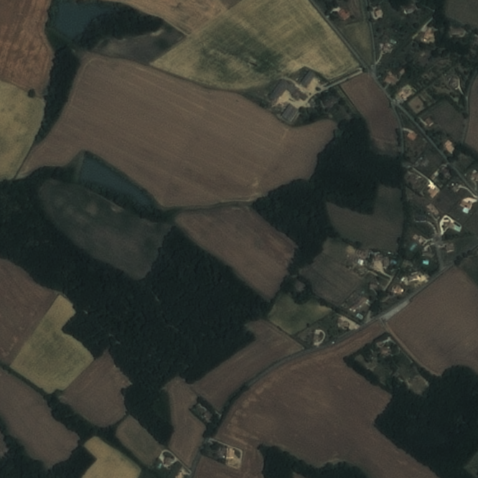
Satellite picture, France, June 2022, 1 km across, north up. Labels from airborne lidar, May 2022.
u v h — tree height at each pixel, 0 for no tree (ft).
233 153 0
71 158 0
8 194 55
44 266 48
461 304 0
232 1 0
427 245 0
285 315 0
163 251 69
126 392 40
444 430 68
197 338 53
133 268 0
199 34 0
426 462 51
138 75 0
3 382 0
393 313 0
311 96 0
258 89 0
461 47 40
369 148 39
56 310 0
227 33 0
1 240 52
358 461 0
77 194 0
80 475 53
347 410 0
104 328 52
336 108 20
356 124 67
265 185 0
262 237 0
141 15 41
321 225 74
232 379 0
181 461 0
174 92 0
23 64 0
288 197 62
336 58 0
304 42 0
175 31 0
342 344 0
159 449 0
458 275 0
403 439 57
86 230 0
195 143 0
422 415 58
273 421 0
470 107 0
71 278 58
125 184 0
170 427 56
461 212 0
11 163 0
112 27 71
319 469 24
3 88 0
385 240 0
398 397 53
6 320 0
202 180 0
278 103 0
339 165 60
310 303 0
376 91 0
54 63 56
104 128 0
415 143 0
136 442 0
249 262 0
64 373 0
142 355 45
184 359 52
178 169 0
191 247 67
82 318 44
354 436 0
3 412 0
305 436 0
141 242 0
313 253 51
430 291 0
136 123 0
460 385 79
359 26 0
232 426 0
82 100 0
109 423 0
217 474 0
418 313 0
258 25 0
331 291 0
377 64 0
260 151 0
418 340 0
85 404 0
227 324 36
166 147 0
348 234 0
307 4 0
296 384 0
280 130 0
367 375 46
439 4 41
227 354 41
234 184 0
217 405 0
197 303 53
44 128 58
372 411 0
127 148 0
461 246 0
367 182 31
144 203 0
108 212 0
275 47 0
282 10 0
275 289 0
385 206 0
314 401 0
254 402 0
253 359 0
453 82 0
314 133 0
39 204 66
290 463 54
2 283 0
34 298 0
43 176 55
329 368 0
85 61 0
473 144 0
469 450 79
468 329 0
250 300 51
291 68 0
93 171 0
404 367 0
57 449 0
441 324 0
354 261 0
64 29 0
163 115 0
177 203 0
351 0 0
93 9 0
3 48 0
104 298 65
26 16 0
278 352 0
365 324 0
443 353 0
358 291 0
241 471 0
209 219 0
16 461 78
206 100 0
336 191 39
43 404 0
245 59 0
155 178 0
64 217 0
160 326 56
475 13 0
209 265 45
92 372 0
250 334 56
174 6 0
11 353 0
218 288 62
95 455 0
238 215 0
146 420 55
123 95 0
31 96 50
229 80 0
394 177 60
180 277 62
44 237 75
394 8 38
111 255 0
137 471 0
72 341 0
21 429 0
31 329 0
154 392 46
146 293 54
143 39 0
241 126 0
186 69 0
